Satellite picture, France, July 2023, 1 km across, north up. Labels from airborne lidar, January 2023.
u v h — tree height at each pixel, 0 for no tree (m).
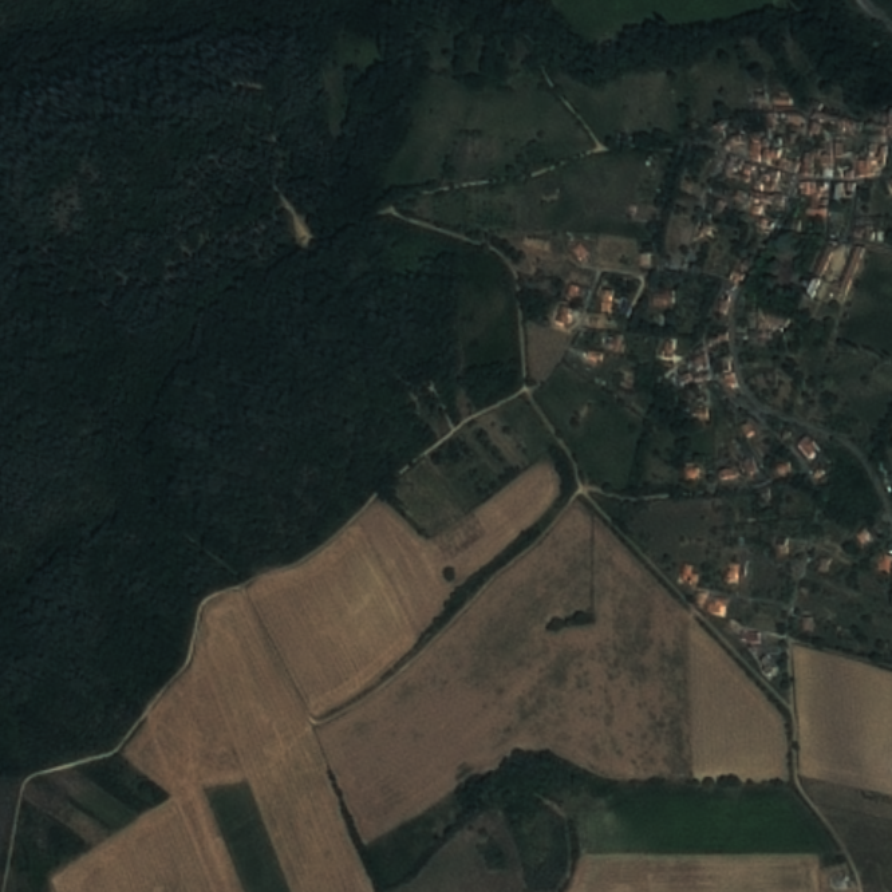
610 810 0
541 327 0
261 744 0
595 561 0
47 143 21
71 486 9
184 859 0
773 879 0
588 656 0
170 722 0
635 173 0
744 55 8
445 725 0
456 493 0
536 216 0
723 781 10
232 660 0
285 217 20
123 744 0
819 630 0
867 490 6
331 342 18
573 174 0
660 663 0
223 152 20
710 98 0
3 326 18
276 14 30
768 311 10
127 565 18
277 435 15
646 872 0
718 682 0
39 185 17
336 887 0
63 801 0
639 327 10
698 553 0
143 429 18
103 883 0
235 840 0
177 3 16
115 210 13
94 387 16
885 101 16
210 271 21
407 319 16
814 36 27
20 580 16
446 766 0
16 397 20
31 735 9
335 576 0
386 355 16
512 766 13
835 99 0
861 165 0
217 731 0
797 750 7
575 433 0
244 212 25
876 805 0
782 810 0
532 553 0
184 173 22
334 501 13
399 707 0
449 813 0
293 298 20
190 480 11
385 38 20
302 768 0
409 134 7
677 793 0
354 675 0
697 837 0
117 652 19
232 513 7
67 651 17
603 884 0
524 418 0
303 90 22
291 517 9
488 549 0
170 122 24
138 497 23
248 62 24
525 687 0
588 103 0
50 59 15
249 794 0
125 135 23
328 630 0
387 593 0
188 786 0
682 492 8
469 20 18
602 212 0
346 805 9
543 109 0
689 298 7
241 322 17
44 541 16
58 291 20
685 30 21
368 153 23
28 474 14
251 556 8
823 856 0
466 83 10
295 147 24
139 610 20
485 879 0
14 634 21
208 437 9
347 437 11
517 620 0
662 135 13
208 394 18
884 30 9
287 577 0
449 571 10
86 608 15
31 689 17
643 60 23
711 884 0
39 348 19
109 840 0
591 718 0
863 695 0
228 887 0
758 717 0
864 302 0
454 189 9
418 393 9
